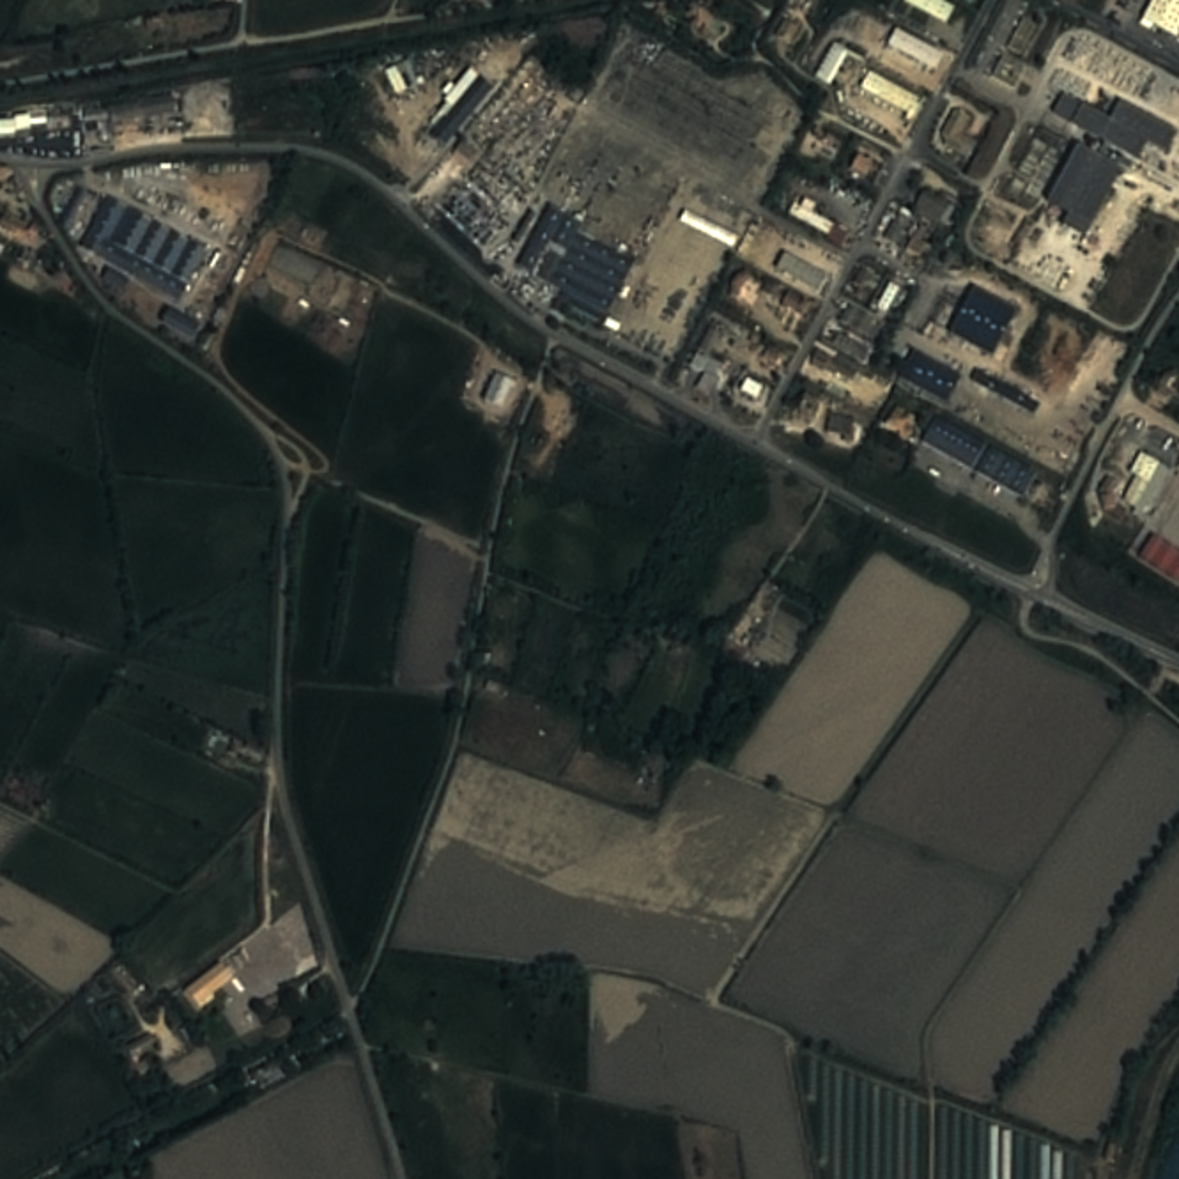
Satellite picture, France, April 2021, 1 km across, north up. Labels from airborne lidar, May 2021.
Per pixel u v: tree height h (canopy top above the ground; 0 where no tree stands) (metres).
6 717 0
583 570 0
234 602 0
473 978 0
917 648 0
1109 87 0
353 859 0
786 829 0
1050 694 0
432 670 0
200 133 0
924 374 0
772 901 0
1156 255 0
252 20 0
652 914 0
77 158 0
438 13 7
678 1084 0
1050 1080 0
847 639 0
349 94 11
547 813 0
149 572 0
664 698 0
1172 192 0
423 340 0
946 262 13
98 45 0
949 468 0
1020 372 0
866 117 0
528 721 0
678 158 0
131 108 0
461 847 0
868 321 0
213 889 0
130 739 0
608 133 0
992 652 0
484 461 0
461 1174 0
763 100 0
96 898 0
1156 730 0
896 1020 0
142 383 0
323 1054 9
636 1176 0
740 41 8
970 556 0
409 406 0
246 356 0
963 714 0
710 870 0
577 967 22
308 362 0
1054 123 0
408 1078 0
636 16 9
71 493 0
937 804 0
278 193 11
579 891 0
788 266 0
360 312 0
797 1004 0
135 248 0
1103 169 0
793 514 0
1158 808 0
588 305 0
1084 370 0
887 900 0
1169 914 0
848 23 0
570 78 9
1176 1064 0
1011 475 0
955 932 0
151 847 0
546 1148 0
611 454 0
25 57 0
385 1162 0
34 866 0
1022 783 0
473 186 0
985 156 0
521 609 0
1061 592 0
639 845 0
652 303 0
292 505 0
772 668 12
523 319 0
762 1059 0
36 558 0
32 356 0
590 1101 0
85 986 6
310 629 0
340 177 0
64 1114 0
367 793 0
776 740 0
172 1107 11
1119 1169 0
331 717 0
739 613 7
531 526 0
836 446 0
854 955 0
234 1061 10
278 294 0
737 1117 0
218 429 0
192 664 0
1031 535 0
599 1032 0
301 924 0
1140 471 0
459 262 0
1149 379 9
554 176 0
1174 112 0
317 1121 0
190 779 0
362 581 0
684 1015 0
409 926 0
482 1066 0
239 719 0
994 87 0
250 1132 0
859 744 0
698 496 8
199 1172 0
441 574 0
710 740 15
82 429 0
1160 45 0
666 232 0
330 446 0
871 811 0
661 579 10
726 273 8
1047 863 0
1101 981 0
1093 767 0
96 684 0
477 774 0
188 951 0
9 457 0
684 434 14
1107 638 13
